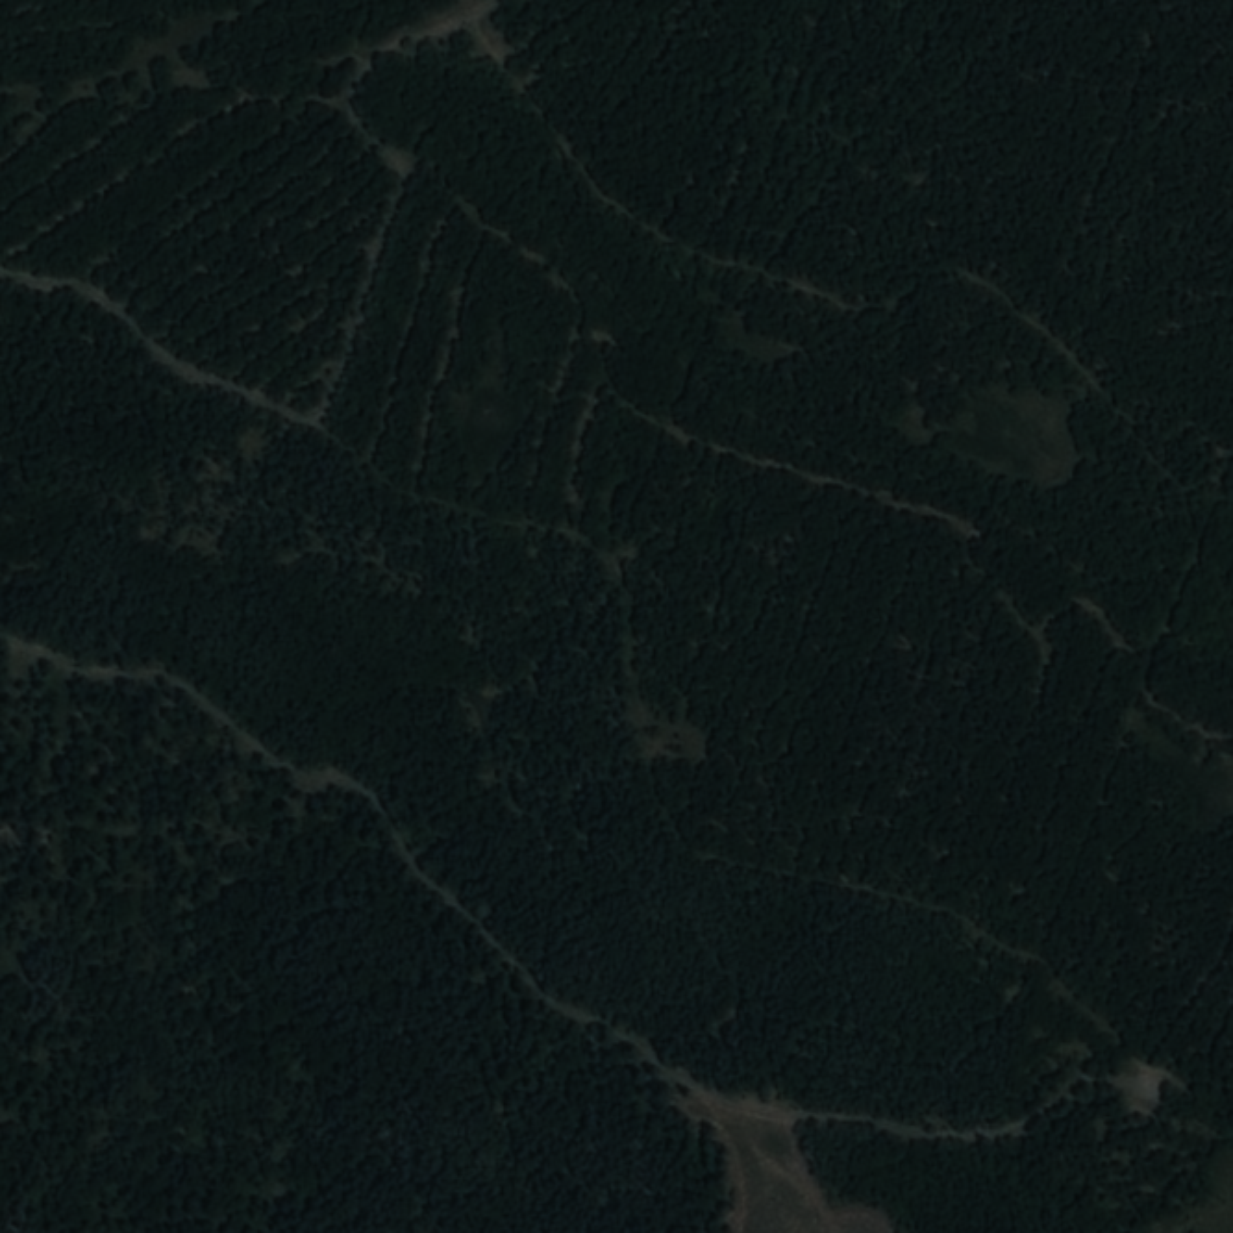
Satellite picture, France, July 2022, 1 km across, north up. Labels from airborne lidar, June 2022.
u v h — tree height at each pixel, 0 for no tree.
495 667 16
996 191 15
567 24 14
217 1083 17
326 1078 15
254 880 7
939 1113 11
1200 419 14
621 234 13
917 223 14
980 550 14
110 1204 15
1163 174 15
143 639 16
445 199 11
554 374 11
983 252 15
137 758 9
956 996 15
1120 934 11
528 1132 16
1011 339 12
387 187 12
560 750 14
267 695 17
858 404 12
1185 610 13
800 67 12
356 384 11
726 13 14
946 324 10
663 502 14
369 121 13
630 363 13
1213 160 14
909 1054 13
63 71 12
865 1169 12
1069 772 14
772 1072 8
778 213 11
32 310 8
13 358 17
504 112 13
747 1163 0
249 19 10
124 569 19
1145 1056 14
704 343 11
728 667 13
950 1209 10
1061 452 0
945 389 11
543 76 14
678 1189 20
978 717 14
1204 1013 16
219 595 14
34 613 22
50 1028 20
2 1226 17
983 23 15
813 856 14
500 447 0
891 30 17
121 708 7
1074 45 14
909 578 10
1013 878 14
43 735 19
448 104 14
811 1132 11
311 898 22
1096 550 13
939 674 12
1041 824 12
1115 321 14
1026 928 13
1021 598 12
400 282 10
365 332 11
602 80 14
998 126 14
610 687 11
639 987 19
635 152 17
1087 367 10
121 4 15
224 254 10
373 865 13
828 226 15
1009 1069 12
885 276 15
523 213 11
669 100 16
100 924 12
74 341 14
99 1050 14
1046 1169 12
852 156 15
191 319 13
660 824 9
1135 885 13
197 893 13
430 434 7
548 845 11
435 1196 26
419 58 9
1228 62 15
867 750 14
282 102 9
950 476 14
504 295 13
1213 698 9
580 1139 13
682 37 16
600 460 12
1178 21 13
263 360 12
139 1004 12
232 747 6
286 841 17
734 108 13
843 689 15
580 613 15
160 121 14
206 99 14
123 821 18
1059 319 12
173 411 13
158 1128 15
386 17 10
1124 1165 10
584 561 10
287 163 12
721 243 14
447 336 12
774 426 13
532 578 15
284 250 11
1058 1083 10
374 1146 12
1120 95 15
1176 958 8
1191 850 14
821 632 13
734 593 13
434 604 12
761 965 20
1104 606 12
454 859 18
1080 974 13
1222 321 14
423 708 20
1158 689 11
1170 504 12
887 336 14
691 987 17
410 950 25
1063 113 15
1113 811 12
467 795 6
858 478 14
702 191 14
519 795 19
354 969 16
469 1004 25
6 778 19
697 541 13
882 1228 0
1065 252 14
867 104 16
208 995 10
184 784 9
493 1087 20
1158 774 13
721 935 12
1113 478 10
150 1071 12
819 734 16
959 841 14
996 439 0
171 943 8
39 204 13
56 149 13
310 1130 15
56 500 9
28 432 18
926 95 17
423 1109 20
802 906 10
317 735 17
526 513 9
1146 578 11
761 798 13
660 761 8
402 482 13
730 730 11
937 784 12
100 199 13
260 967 13
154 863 11
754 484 10
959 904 15
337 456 12
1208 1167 12
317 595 10
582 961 15
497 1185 14
